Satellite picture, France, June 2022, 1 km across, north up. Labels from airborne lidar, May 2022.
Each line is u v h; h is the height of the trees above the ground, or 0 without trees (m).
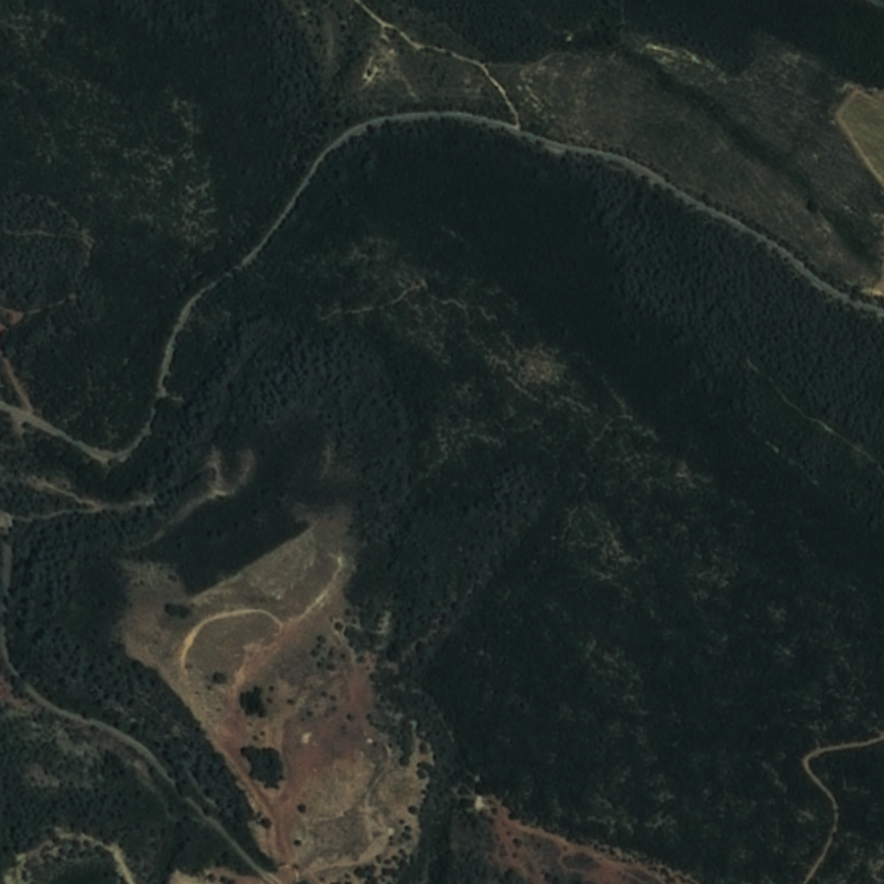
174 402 9
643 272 19
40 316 7
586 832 6
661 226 7
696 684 6
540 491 9
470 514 13
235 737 0
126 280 7
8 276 10
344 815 0
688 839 6
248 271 7
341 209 6
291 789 0
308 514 0
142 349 9
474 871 10
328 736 0
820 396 11
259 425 11
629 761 6
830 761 7
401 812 0
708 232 12
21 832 11
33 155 7
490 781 7
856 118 0
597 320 7
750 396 13
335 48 0
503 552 6
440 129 10
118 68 8
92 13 15
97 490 11
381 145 8
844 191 0
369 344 9
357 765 0
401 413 17
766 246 8
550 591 5
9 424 7
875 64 6
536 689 6
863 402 14
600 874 0
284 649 0
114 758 13
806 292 18
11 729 7
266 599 0
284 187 15
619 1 6
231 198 9
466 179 6
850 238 0
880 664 14
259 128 9
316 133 9
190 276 10
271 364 7
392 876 11
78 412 7
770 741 6
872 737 6
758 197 0
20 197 16
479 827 12
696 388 6
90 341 8
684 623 6
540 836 0
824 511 6
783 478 5
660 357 7
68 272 14
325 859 0
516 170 5
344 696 0
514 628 6
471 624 9
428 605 11
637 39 0
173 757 17
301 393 13
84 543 6
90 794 12
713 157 0
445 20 6
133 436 9
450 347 6
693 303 13
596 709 7
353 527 8
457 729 6
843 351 14
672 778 6
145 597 0
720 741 6
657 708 7
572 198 6
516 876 11
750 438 6
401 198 5
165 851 6
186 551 5
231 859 15
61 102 7
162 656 0
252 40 9
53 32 6
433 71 8
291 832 0
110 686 14
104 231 6
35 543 7
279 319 6
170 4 16
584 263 6
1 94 7
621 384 5
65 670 7
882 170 0
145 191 10
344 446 8
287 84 19
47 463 8
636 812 6
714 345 17
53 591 14
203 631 0
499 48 8
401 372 11
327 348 12
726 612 6
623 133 0
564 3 8
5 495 14
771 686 6
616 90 0
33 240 8
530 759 6
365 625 10
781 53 0
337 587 0
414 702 6
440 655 9
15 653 15
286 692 0
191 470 5
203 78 6
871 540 6
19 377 6
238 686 0
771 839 6
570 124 0
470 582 9
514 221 5
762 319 14
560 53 0
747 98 0
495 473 8
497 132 9
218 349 7
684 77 0
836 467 6
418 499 8
